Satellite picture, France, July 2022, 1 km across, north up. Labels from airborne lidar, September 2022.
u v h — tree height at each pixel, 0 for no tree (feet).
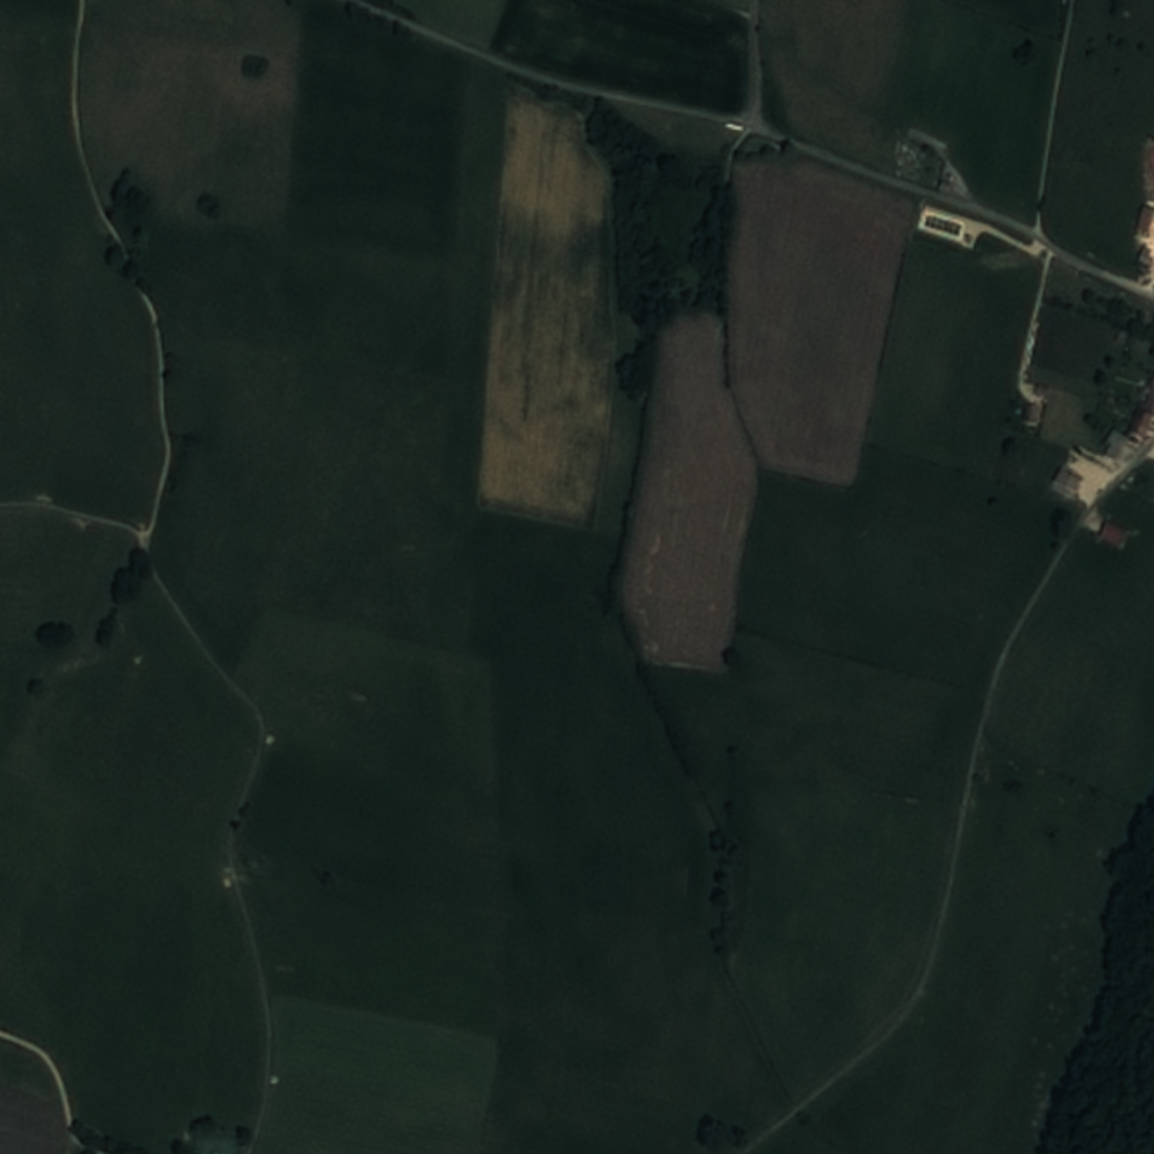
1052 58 0
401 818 0
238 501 0
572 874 0
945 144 0
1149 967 50
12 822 0
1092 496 0
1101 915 0
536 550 0
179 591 0
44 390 0
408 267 0
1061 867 0
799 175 0
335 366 0
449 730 0
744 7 0
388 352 0
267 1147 0
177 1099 0
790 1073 0
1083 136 0
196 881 0
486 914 0
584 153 0
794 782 0
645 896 0
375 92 0
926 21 0
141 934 0
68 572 0
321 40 0
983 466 0
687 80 0
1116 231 0
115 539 0
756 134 0
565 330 0
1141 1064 63
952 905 0
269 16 0
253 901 0
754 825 0
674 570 0
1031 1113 0
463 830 0
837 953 0
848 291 0
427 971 0
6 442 0
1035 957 0
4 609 0
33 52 0
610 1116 0
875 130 0
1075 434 0
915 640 0
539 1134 0
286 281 0
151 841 0
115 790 0
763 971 0
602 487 0
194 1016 0
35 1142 0
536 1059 0
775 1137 0
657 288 52
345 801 0
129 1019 0
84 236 0
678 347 0
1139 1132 60
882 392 0
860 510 0
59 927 0
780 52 0
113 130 0
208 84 0
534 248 0
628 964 0
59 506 0
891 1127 0
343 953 0
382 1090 0
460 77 0
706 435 0
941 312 0
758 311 0
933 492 0
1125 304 32
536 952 0
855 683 0
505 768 0
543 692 0
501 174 0
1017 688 0
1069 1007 0
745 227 0
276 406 0
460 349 0
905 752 0
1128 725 0
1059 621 0
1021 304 0
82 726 0
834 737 0
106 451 0
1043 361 0
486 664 0
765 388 0
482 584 0
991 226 0
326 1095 0
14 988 0
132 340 0
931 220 0
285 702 0
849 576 0
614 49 0
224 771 0
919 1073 0
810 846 0
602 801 0
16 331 0
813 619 0
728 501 0
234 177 0
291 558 0
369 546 0
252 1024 0
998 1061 0
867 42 0
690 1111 0
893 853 0
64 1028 0
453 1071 0
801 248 0
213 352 0
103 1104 0
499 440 0
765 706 0
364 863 0
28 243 0
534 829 0
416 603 0
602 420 0
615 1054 0
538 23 0
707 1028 0
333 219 0
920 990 0
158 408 0
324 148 0
